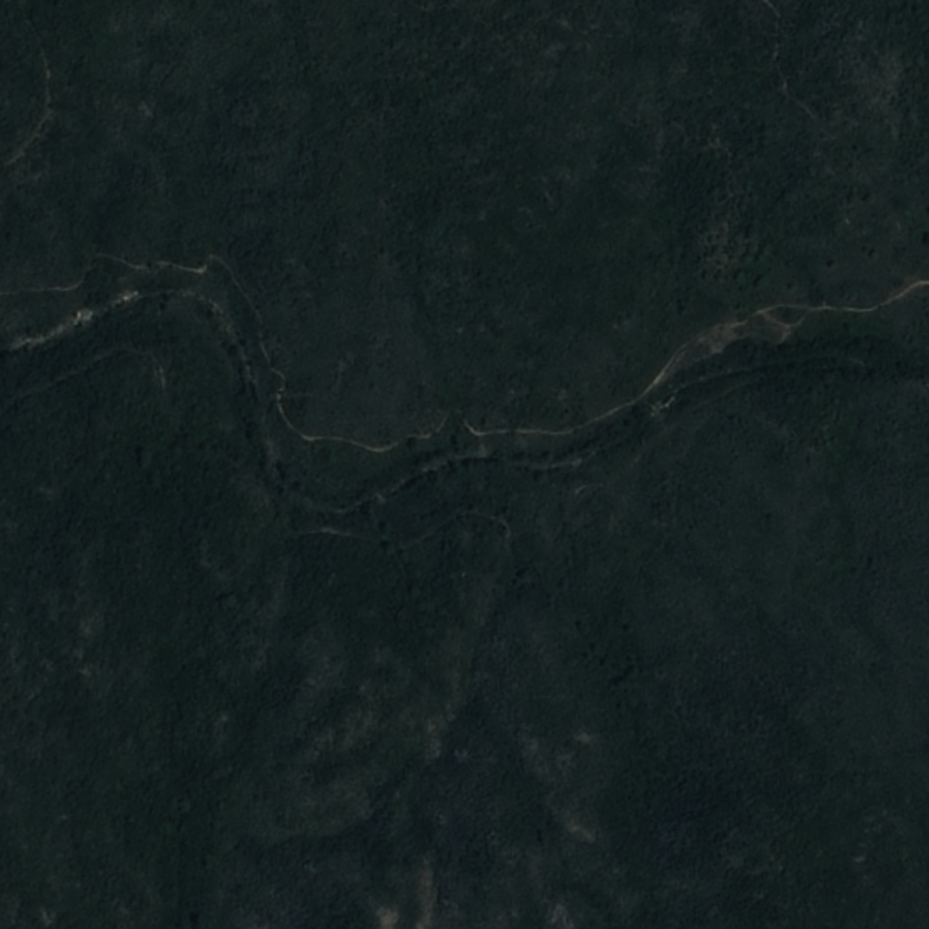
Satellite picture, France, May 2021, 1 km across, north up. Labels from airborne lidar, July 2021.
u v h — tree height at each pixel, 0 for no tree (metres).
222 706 7
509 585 8
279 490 13
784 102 7
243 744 6
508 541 6
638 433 7
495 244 6
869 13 7
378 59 7
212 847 9
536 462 10
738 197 6
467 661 9
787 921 9
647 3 7
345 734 6
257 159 7
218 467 7
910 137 8
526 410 9
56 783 9
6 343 8
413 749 6
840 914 7
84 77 6
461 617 7
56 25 8
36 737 8
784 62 6
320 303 7
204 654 9
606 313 6
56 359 9
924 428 5
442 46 10
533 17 7
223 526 8
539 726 6
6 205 7
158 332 9
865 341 11
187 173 5
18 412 8
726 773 8
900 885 6
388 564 8
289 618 8
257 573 9
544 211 5
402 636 6
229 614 6
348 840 7
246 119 6
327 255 6
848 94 6
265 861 9
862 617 6
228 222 7
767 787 8
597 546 7
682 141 9
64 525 7
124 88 7
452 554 9
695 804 8
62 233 7
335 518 12
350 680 7
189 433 8
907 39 8
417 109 9
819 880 9
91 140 6
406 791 8
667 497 6
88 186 6
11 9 9
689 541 6
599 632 9
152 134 7
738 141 13
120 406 8
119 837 9
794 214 8
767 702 7
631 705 8
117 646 10
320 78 6
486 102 8
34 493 9
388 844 7
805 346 8
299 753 6
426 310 7
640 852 6
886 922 8
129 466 6
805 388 8
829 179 5
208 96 6
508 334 8
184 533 10
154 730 7
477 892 7
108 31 5
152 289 6
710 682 7
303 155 6
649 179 7
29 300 7
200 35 7
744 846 6
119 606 11
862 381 16
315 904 7
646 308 7
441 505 7
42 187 7
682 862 6
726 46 7
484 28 7
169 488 11
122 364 8
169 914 6
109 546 8
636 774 8
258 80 5
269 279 6
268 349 6
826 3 6
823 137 6
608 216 6
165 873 6
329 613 6
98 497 5
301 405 6
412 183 7
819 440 8
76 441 6
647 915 9
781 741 6
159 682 7
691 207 6
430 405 8
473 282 6
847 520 5
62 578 8
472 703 8
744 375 10
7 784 5
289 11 7
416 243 9
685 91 10
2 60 7
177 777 8
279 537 10
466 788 6
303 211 6
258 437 20
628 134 7
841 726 8
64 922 8
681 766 7
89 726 10
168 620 7
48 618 6
